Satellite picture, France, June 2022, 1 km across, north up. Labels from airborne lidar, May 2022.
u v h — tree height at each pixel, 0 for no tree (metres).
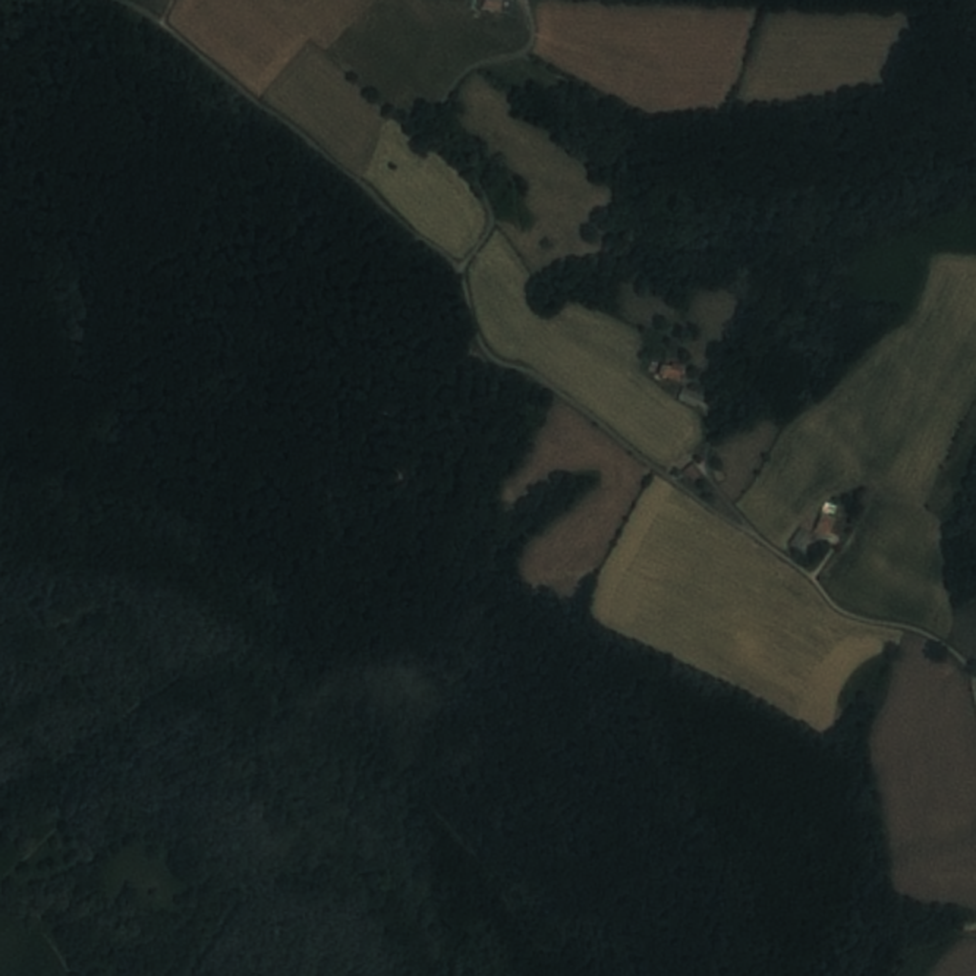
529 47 0
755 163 31
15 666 20
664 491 0
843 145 36
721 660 0
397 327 33
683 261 20
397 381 27
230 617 18
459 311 26
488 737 30
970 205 12
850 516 9
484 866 7
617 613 0
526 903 15
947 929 8
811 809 12
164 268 23
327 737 24
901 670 0
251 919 13
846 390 0
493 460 30
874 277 0
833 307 20
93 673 20
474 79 0
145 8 0
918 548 0
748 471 0
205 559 23
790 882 12
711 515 0
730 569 0
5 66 27
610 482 0
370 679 30
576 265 19
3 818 21
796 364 8
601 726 26
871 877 17
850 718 19
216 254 32
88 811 19
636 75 0
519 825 24
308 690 20
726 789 12
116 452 37
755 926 12
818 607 0
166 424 26
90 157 25
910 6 26
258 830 21
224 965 18
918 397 0
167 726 22
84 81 25
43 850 0
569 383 0
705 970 26
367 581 16
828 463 0
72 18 22
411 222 0
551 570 0
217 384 21
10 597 18
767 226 20
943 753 0
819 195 26
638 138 22
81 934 15
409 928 21
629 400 0
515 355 0
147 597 18
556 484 13
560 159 0
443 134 20
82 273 32
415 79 0
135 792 17
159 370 33
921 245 0
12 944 0
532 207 0
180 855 18
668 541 0
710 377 13
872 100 20
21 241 34
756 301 13
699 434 0
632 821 23
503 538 8
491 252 0
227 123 10
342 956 16
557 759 21
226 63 0
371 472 24
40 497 26
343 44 0
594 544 0
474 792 30
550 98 15
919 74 25
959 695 0
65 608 21
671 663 22
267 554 29
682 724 19
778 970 15
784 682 0
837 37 0
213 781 19
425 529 29
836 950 25
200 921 9
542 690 22
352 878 18
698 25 0
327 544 24
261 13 0
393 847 25
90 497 26
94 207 30
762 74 0
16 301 30
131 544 19
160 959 19
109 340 32
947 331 0
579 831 25
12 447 30
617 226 13
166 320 29
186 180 26
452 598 34
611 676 29
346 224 22
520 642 28
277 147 22
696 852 27
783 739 11
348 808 16
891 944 18
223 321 27
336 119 0
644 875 22
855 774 15
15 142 32
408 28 0
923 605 0
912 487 0
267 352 25
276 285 28
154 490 29
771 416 11
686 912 24
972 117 35
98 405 34
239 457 32
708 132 29
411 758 29
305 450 27
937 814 0
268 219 24
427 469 22
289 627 32
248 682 20
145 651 15
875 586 0
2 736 21
